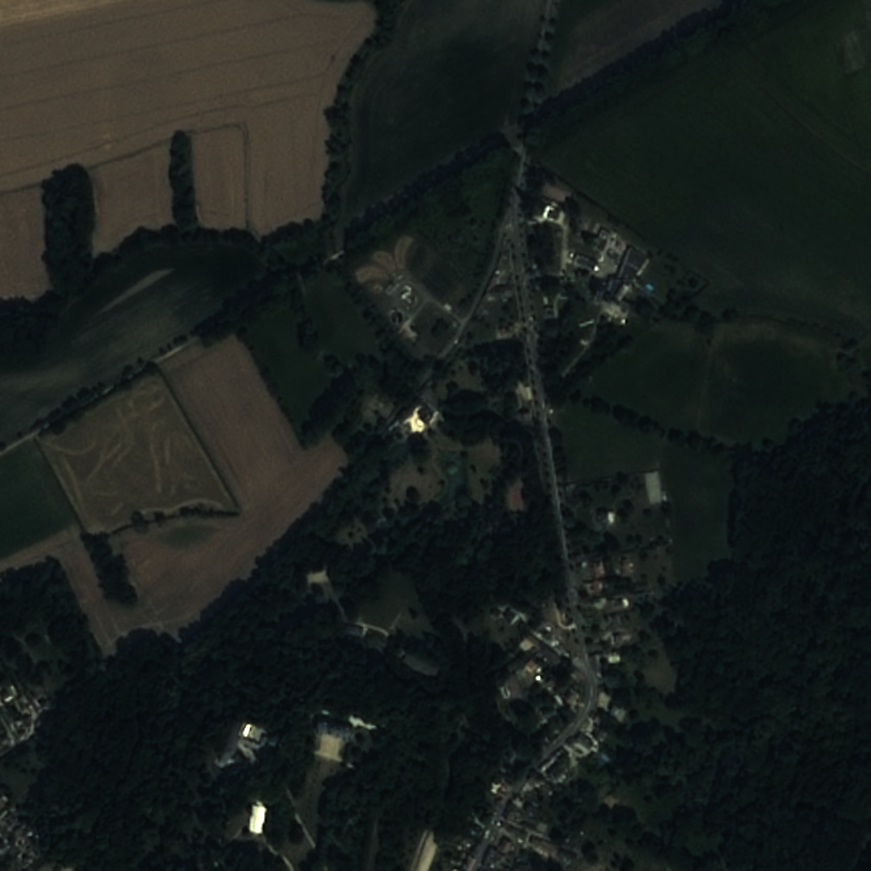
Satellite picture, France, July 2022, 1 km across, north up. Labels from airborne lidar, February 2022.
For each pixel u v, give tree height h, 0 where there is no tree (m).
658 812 0
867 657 32
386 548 20
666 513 12
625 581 7
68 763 27
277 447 0
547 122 27
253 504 0
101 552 19
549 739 6
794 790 21
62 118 0
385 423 10
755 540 37
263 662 24
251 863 30
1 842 14
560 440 15
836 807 23
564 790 6
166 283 0
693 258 0
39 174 0
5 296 0
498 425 22
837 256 0
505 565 16
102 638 0
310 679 23
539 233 21
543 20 9
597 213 0
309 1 0
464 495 16
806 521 27
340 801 21
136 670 10
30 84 0
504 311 7
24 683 11
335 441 8
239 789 27
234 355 0
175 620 0
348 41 0
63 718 20
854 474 9
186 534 0
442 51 0
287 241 17
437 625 19
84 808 30
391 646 7
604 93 24
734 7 26
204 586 0
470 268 0
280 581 25
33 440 0
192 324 0
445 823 22
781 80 0
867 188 0
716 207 0
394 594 0
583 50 0
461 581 27
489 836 0
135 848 23
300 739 22
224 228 0
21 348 28
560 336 10
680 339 0
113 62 0
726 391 0
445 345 0
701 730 23
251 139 0
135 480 0
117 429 0
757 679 24
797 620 33
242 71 0
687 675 24
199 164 0
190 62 0
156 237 12
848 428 24
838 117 0
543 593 16
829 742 21
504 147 27
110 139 0
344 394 31
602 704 0
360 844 20
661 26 0
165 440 0
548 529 23
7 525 0
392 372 21
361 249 23
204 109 0
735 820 23
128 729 18
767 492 36
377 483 9
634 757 21
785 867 29
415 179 0
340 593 16
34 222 0
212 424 0
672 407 0
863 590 21
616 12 0
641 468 0
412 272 0
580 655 0
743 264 0
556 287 19
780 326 0
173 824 15
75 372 0
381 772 26
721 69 0
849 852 40
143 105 0
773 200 0
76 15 0
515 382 15
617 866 8
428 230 0
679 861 26
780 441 0
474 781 28
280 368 0
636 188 0
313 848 0
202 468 0
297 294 27
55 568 17
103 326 0
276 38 0
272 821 19
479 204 0
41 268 0
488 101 0
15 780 0
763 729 22
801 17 0
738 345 0
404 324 0
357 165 0
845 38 0
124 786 24
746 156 0
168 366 0
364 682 24
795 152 0
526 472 14
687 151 0
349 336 0
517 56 0
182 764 28
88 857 18
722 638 31
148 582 0
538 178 20
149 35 0
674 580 0
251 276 0
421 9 0
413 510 15
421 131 0
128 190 0
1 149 0
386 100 0
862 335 0
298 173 0
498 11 0
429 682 13
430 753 26
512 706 10
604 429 0
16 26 0
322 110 0
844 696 26
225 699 27
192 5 0
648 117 0
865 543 17
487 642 6
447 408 10
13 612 21
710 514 0
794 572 30
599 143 0
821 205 0
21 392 0
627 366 0
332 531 14
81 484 0
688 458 0
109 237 0
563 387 21
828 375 0
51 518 0
